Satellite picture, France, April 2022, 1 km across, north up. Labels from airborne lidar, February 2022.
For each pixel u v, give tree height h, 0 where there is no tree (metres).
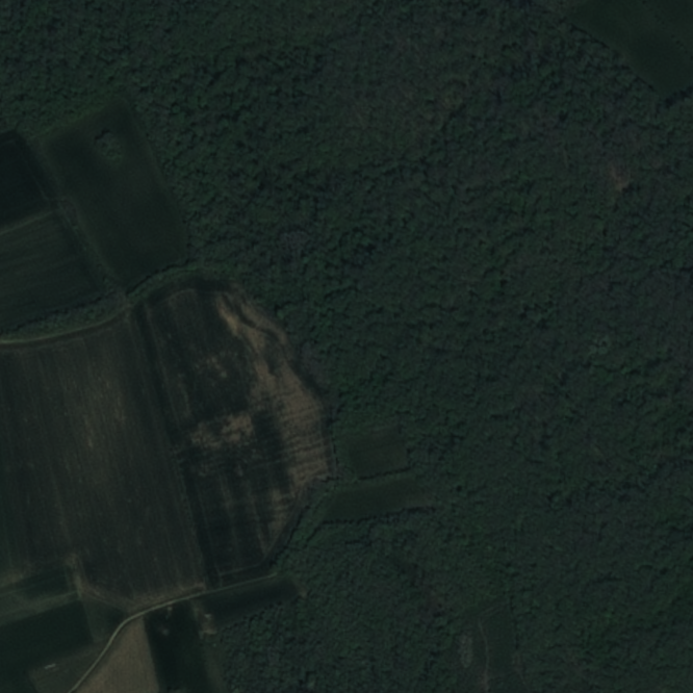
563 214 22
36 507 0
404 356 27
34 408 0
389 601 23
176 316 0
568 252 23
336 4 27
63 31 24
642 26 0
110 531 0
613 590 29
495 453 25
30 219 0
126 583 0
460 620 12
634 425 26
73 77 28
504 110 28
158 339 0
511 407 25
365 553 21
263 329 0
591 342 28
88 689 0
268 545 0
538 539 28
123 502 0
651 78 0
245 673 15
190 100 26
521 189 19
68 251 0
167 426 0
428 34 29
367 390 21
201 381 0
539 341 27
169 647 0
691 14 0
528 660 22
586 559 27
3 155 0
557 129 28
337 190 32
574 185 23
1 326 0
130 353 0
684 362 31
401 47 26
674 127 22
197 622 0
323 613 13
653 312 29
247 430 0
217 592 0
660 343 28
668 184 27
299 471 0
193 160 25
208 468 0
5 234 0
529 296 26
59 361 0
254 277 11
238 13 23
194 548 0
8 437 0
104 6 21
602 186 27
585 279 24
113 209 0
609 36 0
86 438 0
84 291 0
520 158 26
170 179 15
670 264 17
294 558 13
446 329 24
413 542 19
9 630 0
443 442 25
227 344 0
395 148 24
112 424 0
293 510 0
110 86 17
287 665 17
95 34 22
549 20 25
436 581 16
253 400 0
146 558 0
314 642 19
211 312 0
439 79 30
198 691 0
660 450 21
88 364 0
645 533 27
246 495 0
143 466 0
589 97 29
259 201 25
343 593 17
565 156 28
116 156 12
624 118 31
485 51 26
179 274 8
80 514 0
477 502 25
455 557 21
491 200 17
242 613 0
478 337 25
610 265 27
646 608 25
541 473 28
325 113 25
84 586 0
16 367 0
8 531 0
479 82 30
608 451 28
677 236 24
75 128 0
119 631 0
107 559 0
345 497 0
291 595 0
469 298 25
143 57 24
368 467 0
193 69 31
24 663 0
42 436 0
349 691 8
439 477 22
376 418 20
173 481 0
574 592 27
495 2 26
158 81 21
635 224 31
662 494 28
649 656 28
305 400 0
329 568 14
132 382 0
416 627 22
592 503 24
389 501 0
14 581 0
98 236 0
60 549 0
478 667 8
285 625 12
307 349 15
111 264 0
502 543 23
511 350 24
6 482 0
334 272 25
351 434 14
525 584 20
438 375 24
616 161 29
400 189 26
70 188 0
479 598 17
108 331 0
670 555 26
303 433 0
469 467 22
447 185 26
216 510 0
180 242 0
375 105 27
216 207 23
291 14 26
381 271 25
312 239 17
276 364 0
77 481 0
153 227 0
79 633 0
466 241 24
